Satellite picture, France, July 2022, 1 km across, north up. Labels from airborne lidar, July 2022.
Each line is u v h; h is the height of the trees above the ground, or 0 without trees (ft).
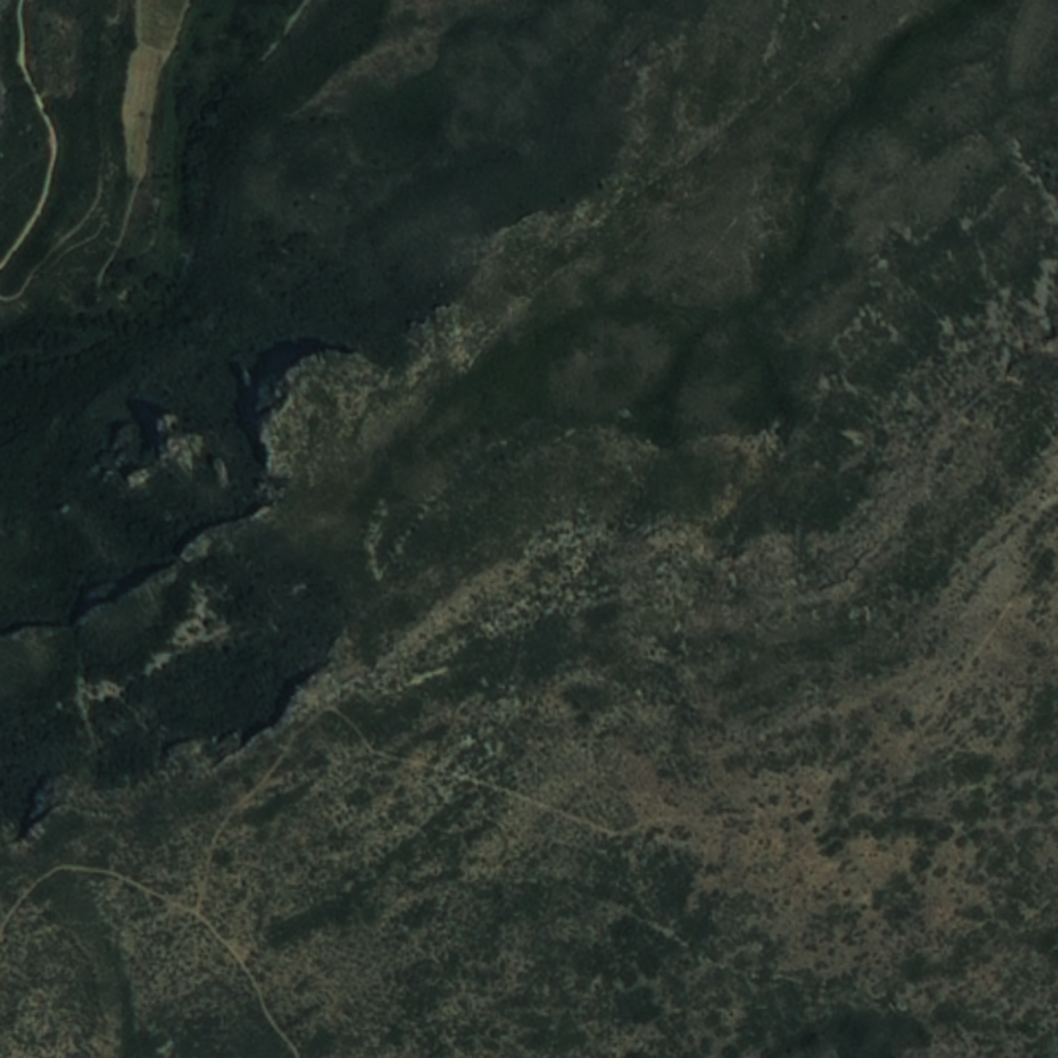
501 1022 0
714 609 0
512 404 0
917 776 0
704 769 0
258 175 0
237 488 21
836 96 0
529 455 0
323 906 0
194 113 69
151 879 0
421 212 0
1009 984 0
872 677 0
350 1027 0
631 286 0
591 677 0
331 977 0
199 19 20
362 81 0
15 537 23
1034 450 0
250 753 0
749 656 0
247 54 21
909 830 0
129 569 19
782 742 0
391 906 0
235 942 0
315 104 0
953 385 0
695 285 0
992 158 0
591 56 0
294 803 0
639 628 0
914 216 0
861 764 0
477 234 0
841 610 0
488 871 0
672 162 0
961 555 0
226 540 0
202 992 0
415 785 0
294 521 0
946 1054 0
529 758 0
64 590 29
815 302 0
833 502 0
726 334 0
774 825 0
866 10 0
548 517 0
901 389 0
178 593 30
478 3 0
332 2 18
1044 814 0
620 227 0
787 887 0
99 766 24
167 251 18
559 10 0
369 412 0
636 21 0
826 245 0
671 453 0
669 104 0
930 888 0
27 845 0
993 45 0
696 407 0
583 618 0
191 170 66
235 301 18
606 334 0
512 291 0
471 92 0
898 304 0
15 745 25
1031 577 0
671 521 0
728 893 0
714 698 0
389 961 0
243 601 19
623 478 0
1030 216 0
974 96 0
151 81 0
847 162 0
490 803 0
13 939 0
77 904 0
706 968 0
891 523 0
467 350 0
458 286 0
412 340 0
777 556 0
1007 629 0
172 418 95
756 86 0
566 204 29
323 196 0
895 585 0
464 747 0
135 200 0
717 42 0
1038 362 0
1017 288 0
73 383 30
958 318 0
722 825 0
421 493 0
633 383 0
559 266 0
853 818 0
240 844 0
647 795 0
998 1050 0
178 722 20
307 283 20
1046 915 0
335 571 0
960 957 0
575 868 0
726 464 0
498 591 0
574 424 0
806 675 0
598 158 0
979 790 0
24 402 27
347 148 0
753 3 0
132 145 0
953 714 0
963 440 0
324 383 0
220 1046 0
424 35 0
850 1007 0
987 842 0
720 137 0
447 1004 0
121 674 23
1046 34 0
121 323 69
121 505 22
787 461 0
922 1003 0
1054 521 0
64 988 0
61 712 22
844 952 0
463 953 0
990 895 0
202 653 22
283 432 0
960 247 0
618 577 0
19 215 0
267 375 23
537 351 0
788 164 0
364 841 0
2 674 0
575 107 0
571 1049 0
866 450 0
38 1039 0
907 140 0
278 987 0
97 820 0
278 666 22
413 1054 0
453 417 0
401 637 0
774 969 0
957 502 0
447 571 0
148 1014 0
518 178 0
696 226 0
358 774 0
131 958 0
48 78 0
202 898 0
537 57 0
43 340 87
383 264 0
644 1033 0
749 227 0
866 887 0
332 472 0
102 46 34
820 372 0
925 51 0
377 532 0
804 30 0
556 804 0
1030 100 0
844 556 0
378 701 0
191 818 0
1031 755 0
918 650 0
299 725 0
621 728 0
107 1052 0
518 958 0
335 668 0
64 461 23
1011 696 0
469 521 0
